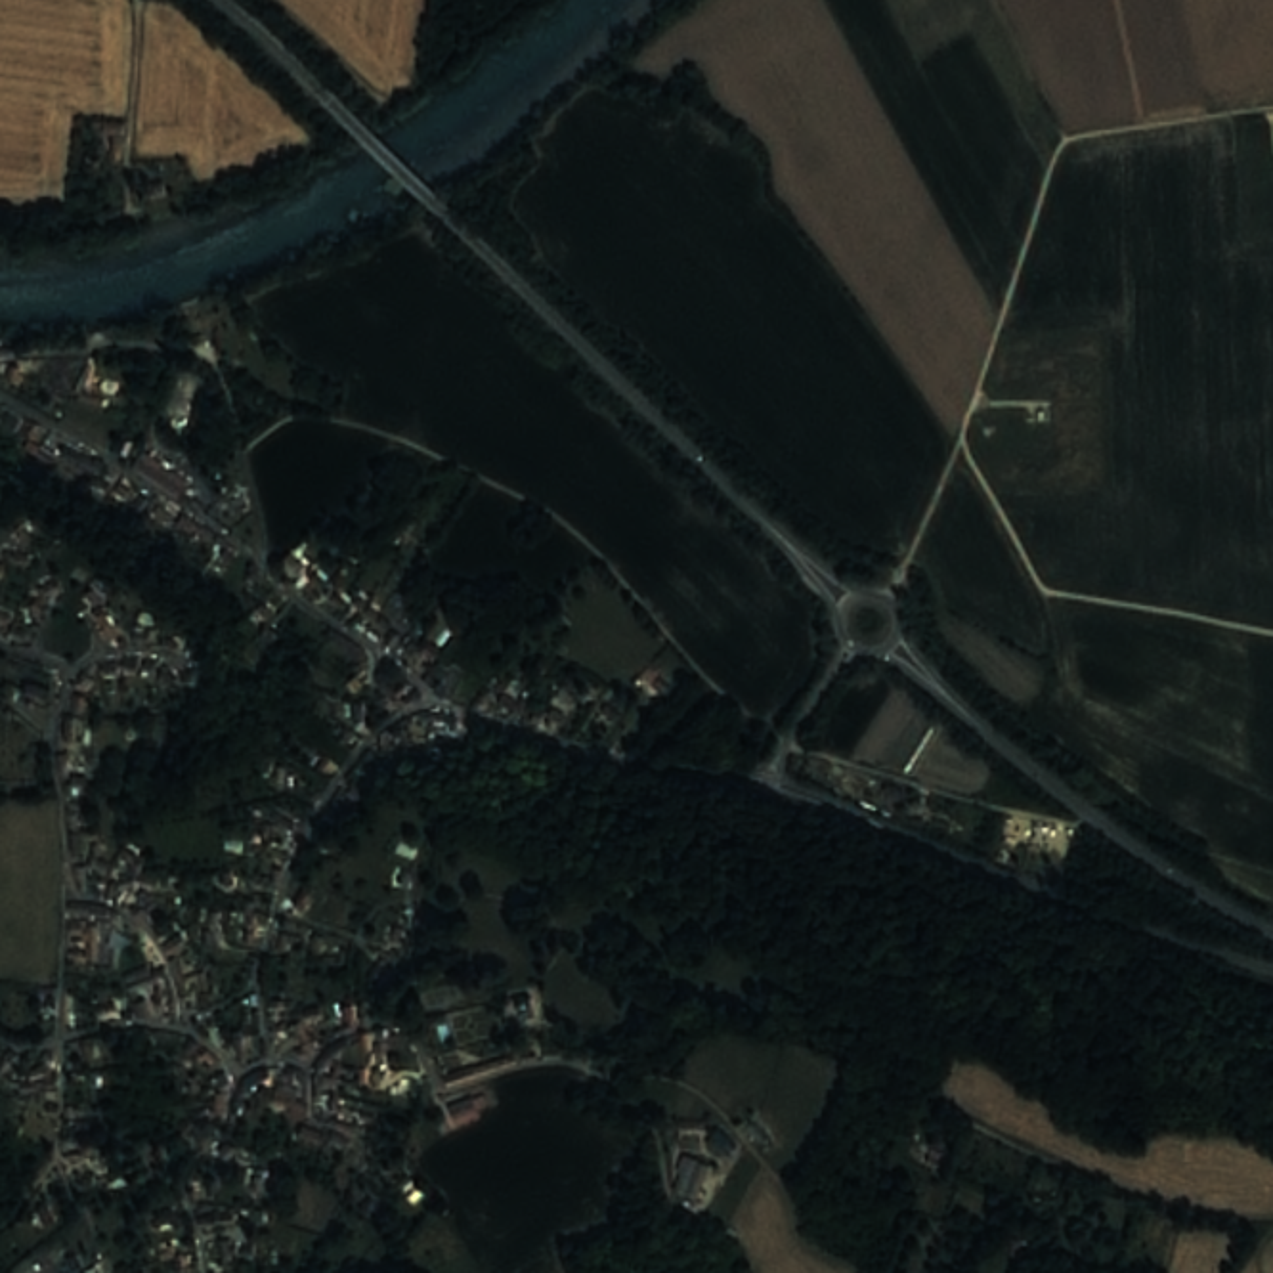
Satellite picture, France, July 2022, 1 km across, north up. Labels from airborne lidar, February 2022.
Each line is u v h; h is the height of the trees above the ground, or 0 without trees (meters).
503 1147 0
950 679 10
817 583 0
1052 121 0
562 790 18
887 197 0
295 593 0
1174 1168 0
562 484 0
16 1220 9
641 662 0
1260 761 0
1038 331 0
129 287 0
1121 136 0
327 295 0
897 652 0
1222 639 0
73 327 12
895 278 0
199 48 0
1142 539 0
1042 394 0
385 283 0
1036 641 0
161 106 0
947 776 0
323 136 15
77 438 0
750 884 27
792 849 23
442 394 0
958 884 25
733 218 0
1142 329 0
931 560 0
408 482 17
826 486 0
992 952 23
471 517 0
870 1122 17
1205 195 0
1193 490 0
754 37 0
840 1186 18
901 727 0
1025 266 0
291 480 0
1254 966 0
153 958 0
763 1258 0
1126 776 0
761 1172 0
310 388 15
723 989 0
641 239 0
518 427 0
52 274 0
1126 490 0
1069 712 0
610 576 17
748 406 0
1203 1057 29
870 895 30
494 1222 0
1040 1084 21
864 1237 14
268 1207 13
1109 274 0
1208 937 14
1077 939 29
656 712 10
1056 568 0
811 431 0
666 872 30
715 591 0
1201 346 0
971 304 0
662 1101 0
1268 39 0
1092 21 0
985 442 0
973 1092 0
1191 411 0
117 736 0
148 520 9
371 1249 0
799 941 32
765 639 0
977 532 0
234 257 0
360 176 0
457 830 21
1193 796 0
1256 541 0
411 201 11
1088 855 10
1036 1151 0
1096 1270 19
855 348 0
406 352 0
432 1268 0
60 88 0
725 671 0
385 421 0
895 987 26
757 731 15
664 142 0
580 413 0
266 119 0
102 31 0
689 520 0
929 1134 7
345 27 0
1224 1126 9
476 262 7
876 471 0
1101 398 0
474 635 19
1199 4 0
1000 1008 27
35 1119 0
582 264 0
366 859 0
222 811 7
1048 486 0
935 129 0
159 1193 7
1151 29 0
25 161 0
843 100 0
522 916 25
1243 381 0
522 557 0
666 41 0
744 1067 0
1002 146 0
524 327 16
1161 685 0
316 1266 10
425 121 0
